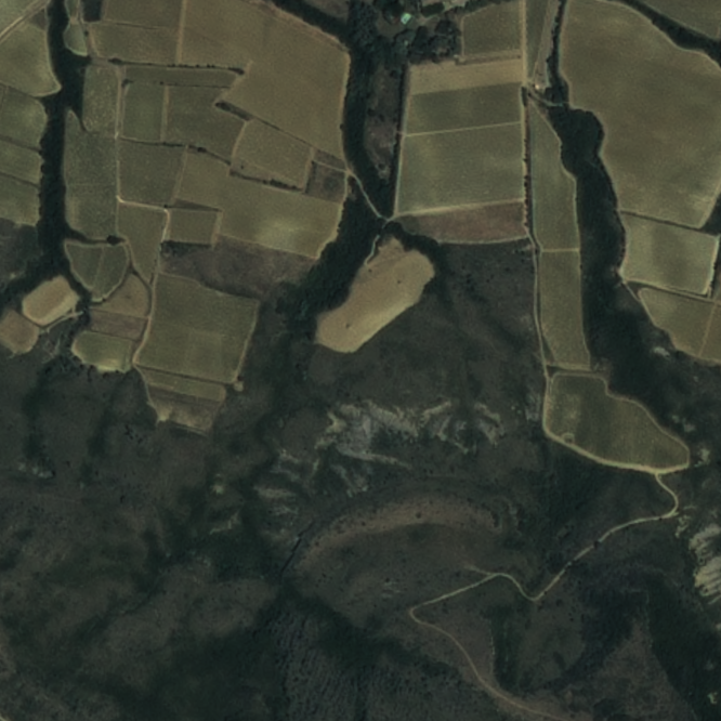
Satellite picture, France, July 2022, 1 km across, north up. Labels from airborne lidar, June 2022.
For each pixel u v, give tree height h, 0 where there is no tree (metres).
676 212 0
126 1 0
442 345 0
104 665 0
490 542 0
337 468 0
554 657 0
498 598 0
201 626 0
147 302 0
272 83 0
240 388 0
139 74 0
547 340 0
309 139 0
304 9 11
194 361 0
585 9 0
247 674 6
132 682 0
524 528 10
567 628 0
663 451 0
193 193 0
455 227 0
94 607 0
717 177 0
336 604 0
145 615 0
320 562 0
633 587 6
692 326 0
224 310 0
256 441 0
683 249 0
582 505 6
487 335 0
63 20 11
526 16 0
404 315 0
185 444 0
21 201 0
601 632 7
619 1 0
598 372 0
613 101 0
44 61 0
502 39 0
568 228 0
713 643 7
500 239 0
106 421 0
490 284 9
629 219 0
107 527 0
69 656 0
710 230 0
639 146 0
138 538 0
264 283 0
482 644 0
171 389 0
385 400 0
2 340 0
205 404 0
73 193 0
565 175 0
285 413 0
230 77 0
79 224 0
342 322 0
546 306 0
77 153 0
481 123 0
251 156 0
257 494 0
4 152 0
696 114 0
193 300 0
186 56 0
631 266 0
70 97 10
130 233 0
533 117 0
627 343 8
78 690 0
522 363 0
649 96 0
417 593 0
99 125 0
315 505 0
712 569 0
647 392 7
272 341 0
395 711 8
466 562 0
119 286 0
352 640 14
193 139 0
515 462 0
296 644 11
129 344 0
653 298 0
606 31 0
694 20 0
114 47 0
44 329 0
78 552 0
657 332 0
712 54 8
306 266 0
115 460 0
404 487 0
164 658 0
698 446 0
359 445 0
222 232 0
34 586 0
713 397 0
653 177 0
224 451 0
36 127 0
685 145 0
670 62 0
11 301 11
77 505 0
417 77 0
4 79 0
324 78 0
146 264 0
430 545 0
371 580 0
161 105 0
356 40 18
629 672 0
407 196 0
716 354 0
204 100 0
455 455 0
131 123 0
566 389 0
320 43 0
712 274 0
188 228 0
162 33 0
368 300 0
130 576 0
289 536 0
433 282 8
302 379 0
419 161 0
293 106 0
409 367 0
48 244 7
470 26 0
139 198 0
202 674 0
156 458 0
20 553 8
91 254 0
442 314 0
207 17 0
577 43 0
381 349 0
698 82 0
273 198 0
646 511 0
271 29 0
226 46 0
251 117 0
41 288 0
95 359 0
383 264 0
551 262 0
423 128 0
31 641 0
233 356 0
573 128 9
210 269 0
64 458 0
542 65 0
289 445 0
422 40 10
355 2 9
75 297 0
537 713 0
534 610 0
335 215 0
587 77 0
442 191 0
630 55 0
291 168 0
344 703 11
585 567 8
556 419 0
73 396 0
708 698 5
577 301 0
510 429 0
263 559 8
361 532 0
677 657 5
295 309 6
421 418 0
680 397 0
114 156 0
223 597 0
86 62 6
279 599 7
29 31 0
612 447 0
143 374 0
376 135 0
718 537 0
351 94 14
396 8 16
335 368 0
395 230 10
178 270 0
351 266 6
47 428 0
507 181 0
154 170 0
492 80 0
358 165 6
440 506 0
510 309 0
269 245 0
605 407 0
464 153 0
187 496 0
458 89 0
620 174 0
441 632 0
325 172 0
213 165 0
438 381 0
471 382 0
